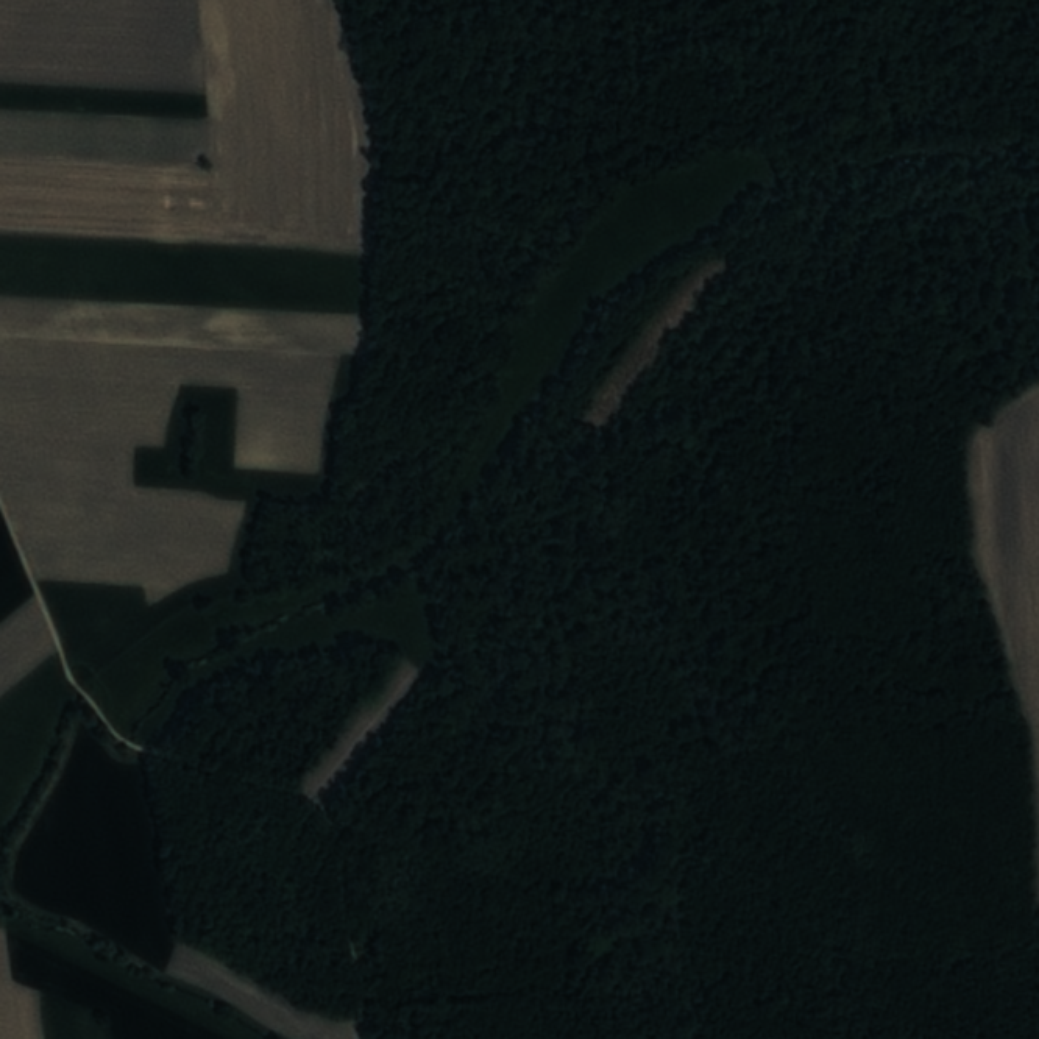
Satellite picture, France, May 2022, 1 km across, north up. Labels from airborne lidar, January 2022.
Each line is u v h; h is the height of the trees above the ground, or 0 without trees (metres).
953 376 15
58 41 0
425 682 12
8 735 0
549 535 15
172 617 0
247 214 0
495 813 12
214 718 24
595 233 0
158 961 0
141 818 0
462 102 24
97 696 0
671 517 19
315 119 0
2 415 0
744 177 0
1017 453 0
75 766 0
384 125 22
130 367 0
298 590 21
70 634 0
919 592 11
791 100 25
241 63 0
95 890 0
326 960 12
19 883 0
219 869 20
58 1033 0
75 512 0
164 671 0
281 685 27
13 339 0
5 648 0
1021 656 0
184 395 0
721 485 23
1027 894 15
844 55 26
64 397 0
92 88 0
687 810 16
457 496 0
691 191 0
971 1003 20
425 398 24
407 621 0
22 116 0
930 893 21
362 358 19
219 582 0
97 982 0
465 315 20
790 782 14
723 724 23
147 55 0
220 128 0
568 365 14
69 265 0
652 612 20
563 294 0
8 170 0
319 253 0
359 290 0
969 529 9
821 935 18
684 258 19
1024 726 14
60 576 0
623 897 36
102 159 0
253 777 16
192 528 0
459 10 28
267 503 20
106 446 0
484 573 18
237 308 0
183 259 0
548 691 20
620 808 16
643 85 23
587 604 8
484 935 20
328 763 0
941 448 14
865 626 15
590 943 30
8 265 0
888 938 20
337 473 21
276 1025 0
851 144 23
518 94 23
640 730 16
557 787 20
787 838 18
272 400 0
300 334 0
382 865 21
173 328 0
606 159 23
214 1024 0
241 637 16
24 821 11
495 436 0
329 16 0
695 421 21
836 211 26
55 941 0
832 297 17
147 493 0
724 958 21
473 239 20
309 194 0
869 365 19
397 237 25
